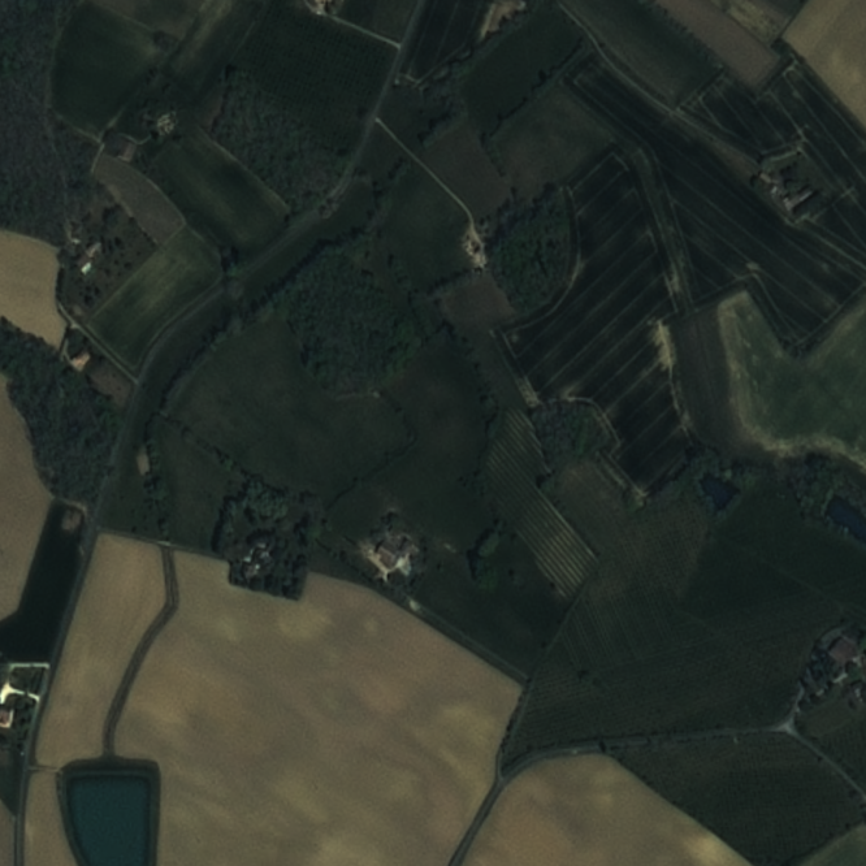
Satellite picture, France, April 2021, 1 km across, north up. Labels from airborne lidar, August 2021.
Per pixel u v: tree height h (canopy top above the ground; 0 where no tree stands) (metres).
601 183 0
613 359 0
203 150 0
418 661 0
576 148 0
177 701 0
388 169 0
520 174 0
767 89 0
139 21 0
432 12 0
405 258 0
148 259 0
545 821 0
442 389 0
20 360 20
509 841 0
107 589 0
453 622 0
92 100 0
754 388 0
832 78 0
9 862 0
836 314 0
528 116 0
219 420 0
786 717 0
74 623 0
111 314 0
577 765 0
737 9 0
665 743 9
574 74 0
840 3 0
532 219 19
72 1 16
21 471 0
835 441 0
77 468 16
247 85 17
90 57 0
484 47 9
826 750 7
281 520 12
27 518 0
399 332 25
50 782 0
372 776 0
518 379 0
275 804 0
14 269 0
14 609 0
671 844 0
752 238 0
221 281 0
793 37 0
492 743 0
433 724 0
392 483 0
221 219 0
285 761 0
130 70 0
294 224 13
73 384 24
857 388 0
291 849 0
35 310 0
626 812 0
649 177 0
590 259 0
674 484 15
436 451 0
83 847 0
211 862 0
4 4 17
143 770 0
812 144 0
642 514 7
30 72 21
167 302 0
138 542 0
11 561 0
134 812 0
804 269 0
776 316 0
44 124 16
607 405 0
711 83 0
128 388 0
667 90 0
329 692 0
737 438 0
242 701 0
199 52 0
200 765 0
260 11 0
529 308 14
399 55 0
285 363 0
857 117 0
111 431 23
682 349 0
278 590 12
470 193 0
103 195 18
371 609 0
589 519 0
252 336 0
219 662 0
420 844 0
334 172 15
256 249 0
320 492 0
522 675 0
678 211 0
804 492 16
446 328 8
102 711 0
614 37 0
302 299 21
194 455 0
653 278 0
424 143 16
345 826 0
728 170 0
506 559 0
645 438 0
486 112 0
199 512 0
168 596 0
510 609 0
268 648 0
